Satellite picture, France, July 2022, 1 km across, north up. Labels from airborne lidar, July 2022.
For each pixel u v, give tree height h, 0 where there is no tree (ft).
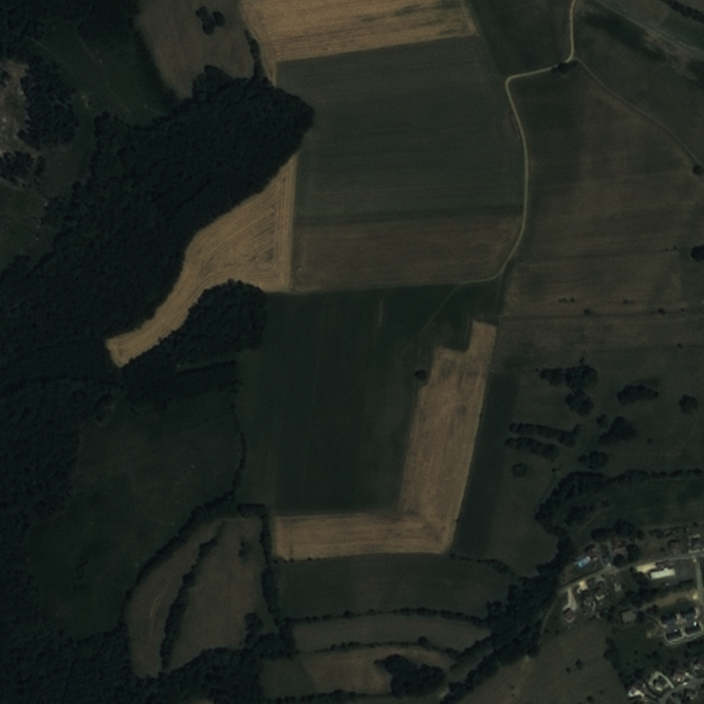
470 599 0
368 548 0
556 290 0
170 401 55
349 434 0
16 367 62
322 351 0
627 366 0
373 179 0
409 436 0
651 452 0
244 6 0
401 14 0
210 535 0
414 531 0
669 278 0
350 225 0
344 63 0
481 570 0
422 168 0
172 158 81
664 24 0
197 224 60
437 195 0
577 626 0
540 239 0
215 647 0
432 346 0
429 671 63
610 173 0
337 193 0
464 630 0
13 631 45
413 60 0
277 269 0
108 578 0
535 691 0
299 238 0
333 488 0
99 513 0
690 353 0
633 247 0
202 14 41
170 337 22
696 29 0
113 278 68
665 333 0
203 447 0
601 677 0
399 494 0
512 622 69
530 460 0
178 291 0
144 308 69
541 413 0
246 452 27
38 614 36
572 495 57
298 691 0
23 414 60
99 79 0
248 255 0
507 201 0
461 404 0
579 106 0
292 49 0
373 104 0
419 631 0
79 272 68
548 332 0
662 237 0
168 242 75
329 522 0
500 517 0
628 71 0
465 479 0
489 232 0
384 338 0
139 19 0
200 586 0
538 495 0
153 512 0
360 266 0
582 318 0
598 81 0
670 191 0
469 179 0
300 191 0
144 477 0
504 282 0
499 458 0
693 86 0
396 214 0
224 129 66
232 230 0
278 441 0
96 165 78
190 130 75
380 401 0
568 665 0
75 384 87
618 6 0
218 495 0
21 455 60
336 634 0
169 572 0
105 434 0
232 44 0
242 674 81
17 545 56
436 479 0
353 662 0
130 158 94
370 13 0
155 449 0
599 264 0
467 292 0
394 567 0
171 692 77
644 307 0
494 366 0
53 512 73
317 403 0
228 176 22
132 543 0
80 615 0
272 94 78
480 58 0
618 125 0
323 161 0
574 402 62
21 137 51
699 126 0
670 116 0
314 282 0
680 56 0
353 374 0
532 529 0
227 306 56
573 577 0
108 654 63
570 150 0
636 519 0
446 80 0
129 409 0
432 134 0
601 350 0
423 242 0
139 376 56
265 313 68
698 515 0
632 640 0
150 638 0
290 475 0
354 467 0
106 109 0
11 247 0
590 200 0
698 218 0
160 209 94
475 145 0
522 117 0
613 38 0
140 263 71
